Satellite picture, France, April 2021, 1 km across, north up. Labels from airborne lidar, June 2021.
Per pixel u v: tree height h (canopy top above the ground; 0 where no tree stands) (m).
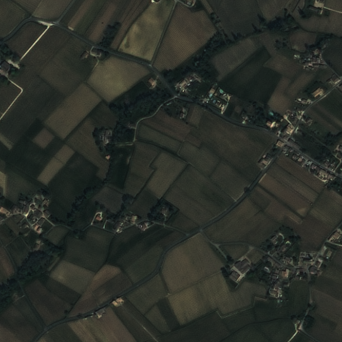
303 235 0
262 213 0
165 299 0
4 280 0
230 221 0
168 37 0
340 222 0
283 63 0
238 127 0
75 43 0
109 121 0
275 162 0
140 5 0
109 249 0
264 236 0
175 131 0
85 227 0
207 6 0
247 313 0
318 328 0
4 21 0
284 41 6
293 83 0
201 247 0
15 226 0
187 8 0
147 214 0
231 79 0
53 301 0
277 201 0
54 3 0
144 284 0
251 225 0
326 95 0
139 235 0
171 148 0
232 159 0
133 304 0
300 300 0
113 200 0
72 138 0
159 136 0
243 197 0
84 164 0
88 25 0
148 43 0
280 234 6
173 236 0
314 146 0
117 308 0
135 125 9
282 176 0
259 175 0
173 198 0
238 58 0
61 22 0
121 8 0
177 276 0
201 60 16
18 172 0
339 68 0
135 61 0
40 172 0
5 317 0
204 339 0
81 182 0
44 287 0
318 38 0
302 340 0
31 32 0
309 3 0
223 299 0
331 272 0
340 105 0
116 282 0
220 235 0
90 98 0
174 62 0
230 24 0
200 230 0
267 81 0
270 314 0
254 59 0
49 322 0
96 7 0
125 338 0
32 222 7
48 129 0
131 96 0
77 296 0
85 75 0
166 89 11
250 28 0
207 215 0
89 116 0
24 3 0
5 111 0
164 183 0
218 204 0
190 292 0
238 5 0
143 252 0
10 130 0
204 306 0
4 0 0
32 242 0
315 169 6
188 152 0
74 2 0
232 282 0
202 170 0
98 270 0
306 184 0
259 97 0
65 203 0
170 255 0
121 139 17
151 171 0
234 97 0
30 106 0
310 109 0
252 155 0
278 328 0
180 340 0
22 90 0
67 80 0
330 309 0
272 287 6
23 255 0
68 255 0
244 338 0
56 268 0
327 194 0
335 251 7
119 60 0
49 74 0
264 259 10
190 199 0
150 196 0
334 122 0
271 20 0
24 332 0
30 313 0
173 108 7
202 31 0
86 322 0
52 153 0
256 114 11
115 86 0
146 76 0
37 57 0
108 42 10
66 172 0
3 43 16
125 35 0
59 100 0
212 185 0
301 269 8
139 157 0
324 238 0
